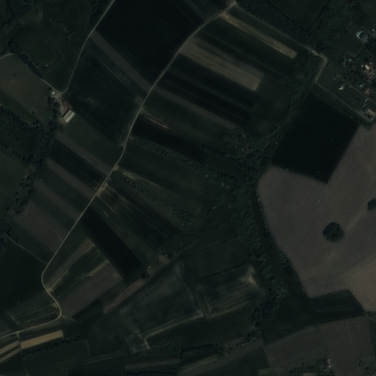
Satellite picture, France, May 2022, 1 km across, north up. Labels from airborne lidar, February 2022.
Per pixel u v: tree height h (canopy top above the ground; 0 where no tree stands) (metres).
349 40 0
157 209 0
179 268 0
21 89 0
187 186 0
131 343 0
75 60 0
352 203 0
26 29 0
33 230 0
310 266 0
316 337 0
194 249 0
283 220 0
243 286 0
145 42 0
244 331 0
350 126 0
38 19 0
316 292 0
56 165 0
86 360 0
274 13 18
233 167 0
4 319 0
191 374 0
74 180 0
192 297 0
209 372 0
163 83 0
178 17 0
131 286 0
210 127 0
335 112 0
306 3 0
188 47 0
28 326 0
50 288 0
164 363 0
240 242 0
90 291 0
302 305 0
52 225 0
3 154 0
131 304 0
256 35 0
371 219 0
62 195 0
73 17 0
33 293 0
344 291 0
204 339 0
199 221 0
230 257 0
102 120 0
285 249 0
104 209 0
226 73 0
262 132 0
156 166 0
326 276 0
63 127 0
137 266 0
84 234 0
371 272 0
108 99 0
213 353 0
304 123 0
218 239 0
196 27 0
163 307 0
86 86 0
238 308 0
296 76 0
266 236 14
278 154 0
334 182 0
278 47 0
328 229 13
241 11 0
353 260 0
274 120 0
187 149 0
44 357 0
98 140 0
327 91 0
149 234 0
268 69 0
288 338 0
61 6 0
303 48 0
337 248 0
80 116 0
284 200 0
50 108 0
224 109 0
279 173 0
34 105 0
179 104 0
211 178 6
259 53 0
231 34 0
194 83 0
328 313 0
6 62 0
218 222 0
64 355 0
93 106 0
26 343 0
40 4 17
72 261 0
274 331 0
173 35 0
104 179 0
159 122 0
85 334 0
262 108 0
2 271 0
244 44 0
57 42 0
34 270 0
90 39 0
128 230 0
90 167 0
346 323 0
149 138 0
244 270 0
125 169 0
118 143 0
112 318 0
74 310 0
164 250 0
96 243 0
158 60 0
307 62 6
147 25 0
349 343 0
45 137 13
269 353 0
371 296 0
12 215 0
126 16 0
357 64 0
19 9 26
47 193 0
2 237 17
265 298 0
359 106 0
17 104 0
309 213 0
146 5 0
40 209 0
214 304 0
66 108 0
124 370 0
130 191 0
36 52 0
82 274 0
